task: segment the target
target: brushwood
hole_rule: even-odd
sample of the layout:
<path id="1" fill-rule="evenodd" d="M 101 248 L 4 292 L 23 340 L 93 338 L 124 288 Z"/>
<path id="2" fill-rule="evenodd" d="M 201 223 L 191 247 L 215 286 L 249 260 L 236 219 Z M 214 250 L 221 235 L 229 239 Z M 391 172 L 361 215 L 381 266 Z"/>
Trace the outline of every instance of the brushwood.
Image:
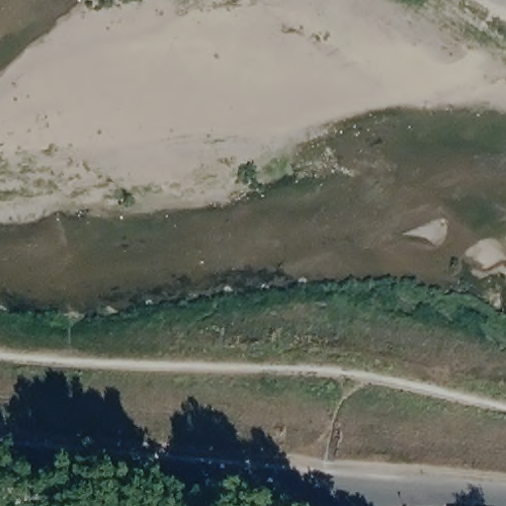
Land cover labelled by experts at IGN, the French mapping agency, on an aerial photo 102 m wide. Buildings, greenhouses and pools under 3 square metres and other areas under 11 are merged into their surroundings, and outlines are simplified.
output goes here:
<path id="1" fill-rule="evenodd" d="M 89 334 L 123 332 L 126 328 L 130 328 L 132 332 L 140 332 L 146 322 L 172 328 L 176 324 L 192 320 L 202 330 L 206 324 L 223 326 L 227 320 L 245 318 L 247 314 L 261 312 L 265 308 L 273 308 L 279 304 L 312 302 L 318 312 L 328 314 L 330 322 L 346 318 L 352 320 L 354 316 L 370 318 L 372 312 L 389 314 L 393 318 L 411 318 L 427 326 L 463 332 L 466 340 L 478 342 L 482 350 L 504 352 L 506 358 L 506 314 L 502 314 L 500 308 L 492 302 L 484 304 L 476 296 L 455 293 L 449 295 L 443 289 L 427 289 L 419 287 L 417 281 L 401 279 L 381 279 L 364 283 L 348 281 L 344 285 L 310 285 L 306 283 L 306 279 L 300 279 L 296 287 L 287 291 L 215 296 L 200 302 L 182 300 L 176 304 L 162 304 L 156 308 L 134 308 L 132 312 L 115 310 L 115 314 L 107 314 L 107 310 L 101 308 L 97 310 L 95 318 L 79 312 L 12 312 L 6 306 L 0 308 L 0 352 L 45 350 L 42 346 L 49 336 L 85 338 Z"/>

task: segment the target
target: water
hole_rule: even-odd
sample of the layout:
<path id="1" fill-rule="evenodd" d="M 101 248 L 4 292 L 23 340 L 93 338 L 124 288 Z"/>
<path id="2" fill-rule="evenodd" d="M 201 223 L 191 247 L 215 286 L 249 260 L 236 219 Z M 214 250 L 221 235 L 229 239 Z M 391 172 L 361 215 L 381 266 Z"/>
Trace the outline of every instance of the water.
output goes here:
<path id="1" fill-rule="evenodd" d="M 49 34 L 61 18 L 67 18 L 73 12 L 73 8 L 77 8 L 77 0 L 0 0 L 0 71 L 8 67 L 18 55 L 22 55 L 26 47 Z"/>
<path id="2" fill-rule="evenodd" d="M 310 285 L 344 285 L 348 281 L 364 283 L 381 279 L 401 279 L 417 281 L 419 287 L 427 289 L 443 289 L 449 295 L 455 293 L 455 287 L 466 281 L 470 275 L 480 279 L 488 275 L 504 275 L 506 279 L 506 113 L 488 109 L 486 103 L 472 103 L 468 107 L 447 105 L 443 109 L 387 107 L 366 111 L 362 115 L 336 121 L 330 126 L 326 136 L 318 136 L 296 144 L 291 166 L 293 174 L 267 184 L 263 196 L 249 192 L 245 194 L 245 200 L 233 200 L 229 204 L 213 204 L 186 210 L 128 213 L 126 219 L 93 217 L 89 223 L 83 223 L 75 213 L 51 211 L 49 215 L 43 215 L 30 223 L 0 221 L 0 308 L 6 306 L 12 312 L 79 312 L 95 318 L 97 310 L 101 308 L 107 310 L 107 314 L 115 314 L 115 310 L 132 312 L 134 308 L 156 308 L 162 304 L 176 304 L 182 300 L 200 302 L 215 296 L 287 291 L 296 287 L 300 279 L 306 279 L 306 283 Z M 447 219 L 447 235 L 441 243 L 409 235 L 411 229 L 423 227 L 435 219 Z M 474 259 L 468 259 L 466 249 L 484 239 L 496 239 L 504 259 L 488 267 Z"/>

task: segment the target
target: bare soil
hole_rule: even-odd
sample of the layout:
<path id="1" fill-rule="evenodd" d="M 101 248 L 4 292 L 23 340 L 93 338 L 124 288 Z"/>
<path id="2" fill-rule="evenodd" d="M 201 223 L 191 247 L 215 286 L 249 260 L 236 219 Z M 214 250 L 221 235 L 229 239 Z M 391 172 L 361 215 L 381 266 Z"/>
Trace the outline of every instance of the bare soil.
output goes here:
<path id="1" fill-rule="evenodd" d="M 468 259 L 474 259 L 488 267 L 504 259 L 496 239 L 484 239 L 466 249 Z"/>
<path id="2" fill-rule="evenodd" d="M 51 156 L 40 158 L 36 166 L 51 166 L 53 170 L 63 172 L 65 176 L 81 176 L 81 180 L 61 184 L 49 196 L 10 198 L 0 204 L 0 221 L 30 223 L 43 215 L 49 215 L 51 211 L 75 213 L 83 223 L 89 223 L 93 217 L 126 219 L 128 213 L 186 210 L 213 204 L 229 204 L 233 200 L 245 200 L 245 194 L 249 192 L 247 184 L 237 180 L 239 166 L 247 162 L 255 166 L 257 180 L 261 184 L 267 184 L 293 174 L 291 166 L 296 144 L 318 136 L 326 136 L 330 126 L 336 121 L 362 115 L 366 111 L 387 107 L 443 109 L 447 105 L 468 107 L 472 103 L 486 103 L 488 109 L 506 113 L 506 65 L 502 61 L 492 61 L 492 57 L 482 47 L 468 49 L 466 43 L 455 42 L 449 30 L 439 30 L 437 26 L 431 26 L 429 22 L 421 20 L 409 8 L 409 4 L 389 0 L 77 0 L 77 8 L 73 8 L 73 12 L 67 18 L 61 18 L 49 34 L 26 47 L 22 55 L 18 55 L 8 67 L 0 71 L 0 156 L 8 164 L 20 164 L 34 150 L 45 150 L 49 144 L 53 144 L 55 152 Z"/>
<path id="3" fill-rule="evenodd" d="M 441 243 L 447 235 L 447 219 L 435 219 L 423 227 L 411 229 L 409 235 Z"/>

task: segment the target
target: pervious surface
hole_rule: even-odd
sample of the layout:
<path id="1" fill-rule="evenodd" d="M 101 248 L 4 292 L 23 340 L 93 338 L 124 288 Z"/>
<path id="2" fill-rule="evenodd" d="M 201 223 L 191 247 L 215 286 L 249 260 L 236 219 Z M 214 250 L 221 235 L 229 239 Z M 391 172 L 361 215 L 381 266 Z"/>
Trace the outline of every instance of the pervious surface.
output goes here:
<path id="1" fill-rule="evenodd" d="M 387 385 L 476 407 L 506 411 L 506 401 L 447 389 L 425 381 L 395 378 L 338 366 L 77 358 L 45 350 L 0 352 L 0 358 L 4 362 L 43 364 L 51 368 L 281 376 L 306 374 L 326 378 L 352 378 L 360 379 L 366 385 Z"/>
<path id="2" fill-rule="evenodd" d="M 328 461 L 296 453 L 291 453 L 287 457 L 291 466 L 300 474 L 318 470 L 330 476 L 350 478 L 376 478 L 397 482 L 455 482 L 472 484 L 478 490 L 482 486 L 506 488 L 506 472 L 431 464 Z"/>

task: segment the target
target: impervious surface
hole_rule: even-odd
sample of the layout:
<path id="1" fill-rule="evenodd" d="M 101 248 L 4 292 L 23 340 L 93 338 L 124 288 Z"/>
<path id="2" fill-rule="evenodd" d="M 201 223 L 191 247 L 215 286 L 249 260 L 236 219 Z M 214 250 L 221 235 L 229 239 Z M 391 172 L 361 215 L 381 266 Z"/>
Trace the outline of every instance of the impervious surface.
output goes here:
<path id="1" fill-rule="evenodd" d="M 30 466 L 43 470 L 55 463 L 55 457 L 61 453 L 61 449 L 51 447 L 49 443 L 32 443 L 24 437 L 12 439 L 12 457 L 18 457 L 20 461 L 26 461 Z"/>
<path id="2" fill-rule="evenodd" d="M 142 449 L 121 445 L 115 453 L 117 457 L 126 459 L 126 466 L 140 468 L 144 463 L 160 466 L 164 474 L 174 476 L 184 484 L 204 486 L 210 478 L 235 474 L 241 480 L 245 480 L 253 490 L 267 488 L 271 490 L 271 494 L 281 492 L 293 498 L 295 502 L 308 506 L 506 506 L 506 488 L 482 486 L 478 490 L 472 484 L 455 482 L 397 482 L 376 478 L 350 478 L 330 476 L 318 470 L 300 474 L 291 466 L 283 476 L 279 472 L 273 472 L 271 468 L 253 470 L 249 466 L 249 459 L 241 461 L 239 457 L 227 461 L 208 459 L 208 463 L 202 468 L 180 466 L 176 459 L 168 455 L 166 447 L 160 447 L 156 441 L 142 441 Z"/>
<path id="3" fill-rule="evenodd" d="M 494 18 L 500 18 L 506 24 L 506 0 L 472 0 L 474 4 L 488 10 Z"/>

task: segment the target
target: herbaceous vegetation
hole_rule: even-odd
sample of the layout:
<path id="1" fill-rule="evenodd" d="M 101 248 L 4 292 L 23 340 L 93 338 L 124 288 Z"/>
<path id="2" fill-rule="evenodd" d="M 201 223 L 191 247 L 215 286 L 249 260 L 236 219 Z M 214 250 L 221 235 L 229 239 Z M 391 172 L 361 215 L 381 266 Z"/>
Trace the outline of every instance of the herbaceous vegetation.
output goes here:
<path id="1" fill-rule="evenodd" d="M 484 304 L 492 302 L 500 308 L 502 314 L 506 314 L 506 279 L 504 275 L 488 275 L 480 279 L 470 275 L 466 281 L 455 287 L 455 293 L 476 296 Z"/>
<path id="2" fill-rule="evenodd" d="M 63 172 L 53 170 L 51 166 L 36 166 L 40 158 L 51 156 L 55 152 L 53 144 L 49 144 L 45 150 L 34 150 L 20 164 L 8 164 L 0 156 L 0 204 L 10 198 L 49 196 L 61 184 L 81 180 L 81 176 L 65 176 Z"/>
<path id="3" fill-rule="evenodd" d="M 500 18 L 494 18 L 488 10 L 474 4 L 472 0 L 389 0 L 409 4 L 409 8 L 421 20 L 429 22 L 431 26 L 437 26 L 439 30 L 449 30 L 455 42 L 466 43 L 468 49 L 482 47 L 492 57 L 492 61 L 502 61 L 506 65 L 506 24 Z"/>
<path id="4" fill-rule="evenodd" d="M 447 389 L 506 401 L 506 358 L 504 352 L 482 350 L 478 342 L 466 340 L 463 332 L 427 326 L 411 318 L 393 318 L 389 314 L 372 312 L 370 318 L 354 316 L 352 320 L 346 318 L 330 322 L 328 314 L 318 312 L 312 302 L 279 304 L 273 308 L 265 308 L 261 312 L 247 314 L 245 318 L 227 320 L 223 326 L 206 324 L 202 330 L 192 320 L 176 324 L 172 328 L 146 322 L 140 332 L 132 332 L 130 328 L 126 328 L 123 332 L 89 334 L 85 338 L 49 336 L 42 346 L 45 350 L 77 358 L 338 366 L 395 378 L 425 381 Z"/>
<path id="5" fill-rule="evenodd" d="M 366 385 L 360 379 L 352 378 L 326 378 L 306 374 L 281 376 L 51 368 L 43 364 L 4 362 L 0 358 L 0 443 L 4 439 L 12 439 L 24 437 L 32 443 L 49 443 L 51 447 L 61 449 L 67 441 L 75 439 L 83 431 L 97 435 L 115 453 L 121 445 L 142 449 L 142 441 L 156 441 L 160 447 L 166 447 L 168 455 L 176 459 L 180 466 L 202 468 L 208 463 L 208 459 L 227 461 L 239 457 L 241 461 L 249 459 L 249 466 L 253 470 L 271 468 L 273 472 L 279 472 L 283 476 L 291 466 L 287 457 L 291 453 L 296 453 L 328 461 L 431 464 L 506 472 L 506 411 L 476 407 L 387 385 Z"/>

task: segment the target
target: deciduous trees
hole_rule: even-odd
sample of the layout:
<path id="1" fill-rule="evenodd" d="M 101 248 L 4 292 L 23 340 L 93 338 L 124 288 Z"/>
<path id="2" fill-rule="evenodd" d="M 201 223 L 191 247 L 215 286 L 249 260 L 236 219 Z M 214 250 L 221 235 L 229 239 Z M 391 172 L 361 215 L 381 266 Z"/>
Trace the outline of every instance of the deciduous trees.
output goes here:
<path id="1" fill-rule="evenodd" d="M 293 498 L 281 492 L 271 494 L 271 490 L 267 488 L 253 490 L 245 480 L 241 480 L 235 474 L 210 478 L 204 486 L 184 484 L 174 476 L 164 474 L 160 466 L 144 463 L 140 468 L 126 466 L 126 459 L 117 457 L 115 453 L 97 435 L 83 431 L 75 439 L 67 441 L 61 449 L 61 453 L 55 457 L 55 463 L 43 470 L 30 466 L 26 461 L 20 461 L 18 457 L 12 457 L 12 439 L 4 439 L 0 443 L 0 506 L 308 506 L 295 502 Z"/>
<path id="2" fill-rule="evenodd" d="M 247 162 L 239 166 L 237 180 L 247 184 L 249 192 L 263 196 L 267 184 L 261 184 L 257 180 L 255 166 Z"/>

